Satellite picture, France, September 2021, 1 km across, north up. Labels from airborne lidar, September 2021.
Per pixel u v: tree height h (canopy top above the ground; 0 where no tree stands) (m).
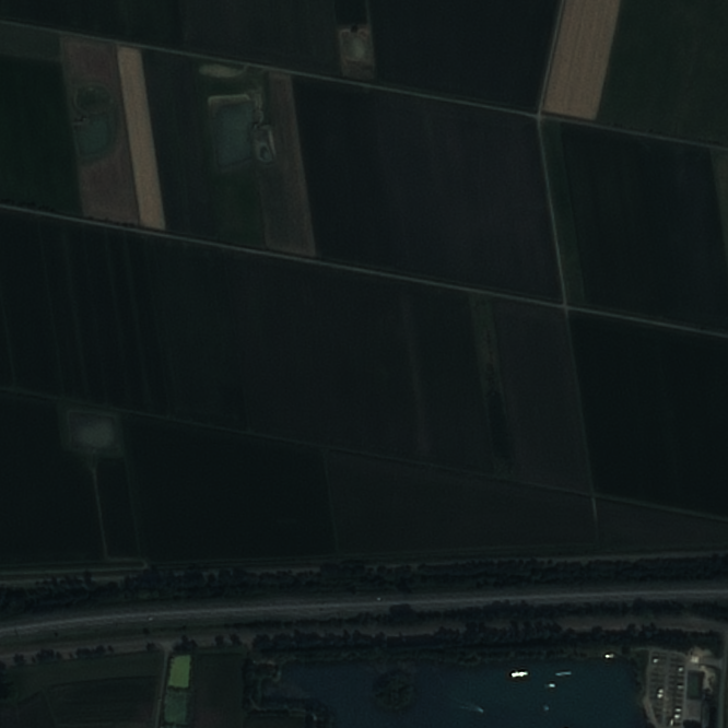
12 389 0
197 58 0
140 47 0
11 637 0
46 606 14
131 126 0
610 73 0
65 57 0
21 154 0
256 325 0
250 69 0
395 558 0
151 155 0
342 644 13
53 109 0
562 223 0
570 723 0
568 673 0
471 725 0
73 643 0
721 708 0
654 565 10
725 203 0
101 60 0
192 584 14
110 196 0
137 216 0
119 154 0
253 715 8
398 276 0
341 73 0
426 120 0
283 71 0
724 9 0
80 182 0
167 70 0
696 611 12
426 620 11
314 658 8
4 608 15
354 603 0
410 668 0
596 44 0
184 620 0
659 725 0
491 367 0
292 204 0
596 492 0
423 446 0
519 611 16
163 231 0
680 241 0
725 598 0
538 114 0
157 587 15
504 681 0
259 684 8
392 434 0
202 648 0
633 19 0
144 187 0
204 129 0
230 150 0
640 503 0
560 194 0
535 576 10
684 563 10
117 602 0
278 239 0
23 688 0
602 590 0
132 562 0
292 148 0
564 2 0
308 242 0
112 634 0
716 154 0
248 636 0
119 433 0
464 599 0
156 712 0
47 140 0
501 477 0
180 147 0
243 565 0
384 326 0
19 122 0
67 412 0
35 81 0
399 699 7
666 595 0
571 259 0
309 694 0
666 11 0
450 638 12
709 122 0
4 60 0
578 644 7
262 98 0
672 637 14
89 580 14
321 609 0
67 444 0
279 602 0
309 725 14
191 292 0
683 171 0
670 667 0
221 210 0
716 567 10
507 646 14
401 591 14
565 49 0
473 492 0
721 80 0
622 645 10
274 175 0
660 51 0
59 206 0
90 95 0
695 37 0
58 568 0
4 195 0
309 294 0
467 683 0
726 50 0
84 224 0
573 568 7
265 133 0
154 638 0
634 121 0
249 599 0
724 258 0
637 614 19
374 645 16
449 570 10
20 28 0
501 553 0
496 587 6
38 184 0
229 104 0
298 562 0
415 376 0
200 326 0
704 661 0
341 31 0
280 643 14
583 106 0
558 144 0
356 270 0
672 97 0
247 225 0
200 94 0
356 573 8
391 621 13
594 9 0
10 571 0
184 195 0
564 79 0
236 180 0
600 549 0
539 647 16
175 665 0
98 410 0
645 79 0
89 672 0
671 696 0
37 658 7
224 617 0
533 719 0
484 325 0
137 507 0
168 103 0
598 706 0
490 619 15
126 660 0
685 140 0
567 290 0
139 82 0
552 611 16
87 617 0
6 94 0
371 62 0
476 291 0
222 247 0
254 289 0
